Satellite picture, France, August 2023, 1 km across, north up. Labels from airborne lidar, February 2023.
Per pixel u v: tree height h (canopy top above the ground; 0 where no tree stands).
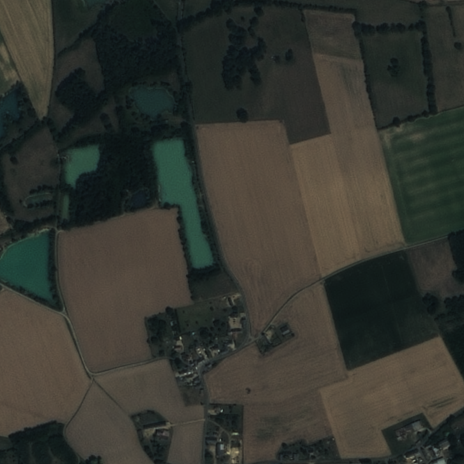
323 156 0
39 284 0
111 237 0
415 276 0
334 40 0
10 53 0
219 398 0
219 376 0
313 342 0
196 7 0
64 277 0
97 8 0
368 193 0
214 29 0
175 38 12
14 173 0
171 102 0
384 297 0
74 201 7
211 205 0
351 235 0
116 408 0
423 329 0
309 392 0
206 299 0
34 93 0
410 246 0
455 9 0
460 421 0
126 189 8
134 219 0
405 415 0
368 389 0
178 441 0
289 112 0
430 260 0
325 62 0
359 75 0
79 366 0
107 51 21
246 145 0
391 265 0
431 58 13
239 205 0
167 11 0
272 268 0
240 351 0
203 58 0
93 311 0
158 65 23
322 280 0
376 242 0
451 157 0
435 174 0
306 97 0
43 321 0
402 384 0
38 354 0
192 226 0
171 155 0
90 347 0
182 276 0
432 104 14
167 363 0
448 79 0
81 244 0
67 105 20
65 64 0
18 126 7
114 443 0
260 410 0
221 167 0
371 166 0
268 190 0
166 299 0
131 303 0
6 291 0
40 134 0
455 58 0
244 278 0
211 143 0
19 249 0
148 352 0
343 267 0
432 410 0
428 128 0
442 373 0
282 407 0
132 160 6
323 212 0
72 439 0
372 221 0
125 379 0
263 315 0
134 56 24
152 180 11
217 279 0
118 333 0
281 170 0
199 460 0
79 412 0
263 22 0
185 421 0
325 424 0
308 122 0
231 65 20
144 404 0
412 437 0
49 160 0
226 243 0
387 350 0
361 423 0
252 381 0
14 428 0
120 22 0
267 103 0
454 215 0
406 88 0
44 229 0
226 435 0
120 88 9
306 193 0
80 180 8
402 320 0
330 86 0
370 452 0
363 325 0
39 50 0
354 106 0
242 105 0
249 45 0
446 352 0
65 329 0
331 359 0
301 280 0
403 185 0
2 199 16
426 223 0
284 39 0
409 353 0
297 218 0
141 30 0
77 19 0
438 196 0
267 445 0
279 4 9
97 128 0
